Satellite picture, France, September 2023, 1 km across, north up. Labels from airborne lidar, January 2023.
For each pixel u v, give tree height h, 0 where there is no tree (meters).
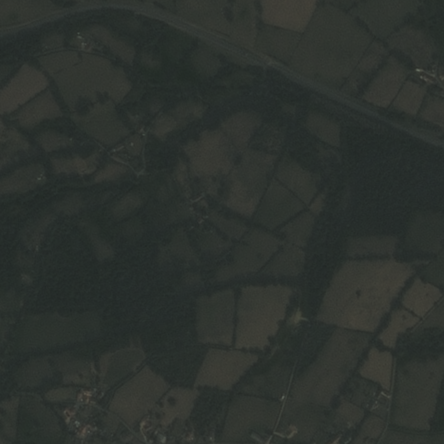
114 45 0
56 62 0
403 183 18
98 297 12
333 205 18
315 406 0
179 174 0
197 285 0
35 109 0
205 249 0
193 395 0
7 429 0
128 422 0
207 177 0
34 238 0
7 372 14
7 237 22
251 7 0
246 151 0
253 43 0
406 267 0
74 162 0
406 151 9
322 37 0
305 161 15
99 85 0
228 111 15
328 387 0
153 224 0
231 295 0
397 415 0
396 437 0
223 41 0
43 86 0
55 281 12
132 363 0
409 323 0
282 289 0
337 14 0
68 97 0
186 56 17
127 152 15
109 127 0
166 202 0
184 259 0
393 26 0
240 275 0
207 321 0
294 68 0
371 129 21
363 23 10
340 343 0
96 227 0
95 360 7
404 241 16
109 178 0
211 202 10
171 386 8
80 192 8
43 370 0
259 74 13
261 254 0
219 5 0
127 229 0
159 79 0
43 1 0
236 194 0
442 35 0
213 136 0
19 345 0
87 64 0
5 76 0
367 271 0
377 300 0
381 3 0
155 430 0
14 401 0
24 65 0
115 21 0
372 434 0
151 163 14
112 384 0
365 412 9
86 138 14
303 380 0
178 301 20
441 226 0
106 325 0
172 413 0
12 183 0
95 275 13
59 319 0
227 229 0
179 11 0
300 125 9
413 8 0
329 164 7
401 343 9
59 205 0
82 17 9
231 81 0
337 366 0
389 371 0
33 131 0
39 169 0
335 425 8
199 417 7
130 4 0
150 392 0
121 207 0
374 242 0
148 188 0
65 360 0
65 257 6
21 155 0
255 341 0
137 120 0
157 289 17
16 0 0
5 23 0
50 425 0
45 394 0
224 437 0
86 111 17
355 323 0
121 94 0
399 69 0
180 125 0
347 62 0
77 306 15
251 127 0
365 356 12
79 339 0
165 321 17
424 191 21
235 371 0
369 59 0
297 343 0
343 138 10
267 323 0
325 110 26
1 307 0
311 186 0
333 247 23
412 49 0
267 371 0
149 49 8
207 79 0
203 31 0
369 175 19
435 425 16
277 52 0
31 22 0
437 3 0
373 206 15
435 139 0
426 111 0
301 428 0
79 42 0
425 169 7
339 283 0
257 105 26
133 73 17
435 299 0
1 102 0
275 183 0
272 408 0
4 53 13
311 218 0
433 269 0
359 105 0
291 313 13
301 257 0
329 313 0
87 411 0
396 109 0
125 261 21
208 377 0
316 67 0
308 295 0
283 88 8
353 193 19
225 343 0
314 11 0
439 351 8
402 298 12
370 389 0
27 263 0
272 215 0
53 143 0
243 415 0
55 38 0
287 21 0
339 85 0
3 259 20
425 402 0
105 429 0
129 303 9
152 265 10
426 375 0
